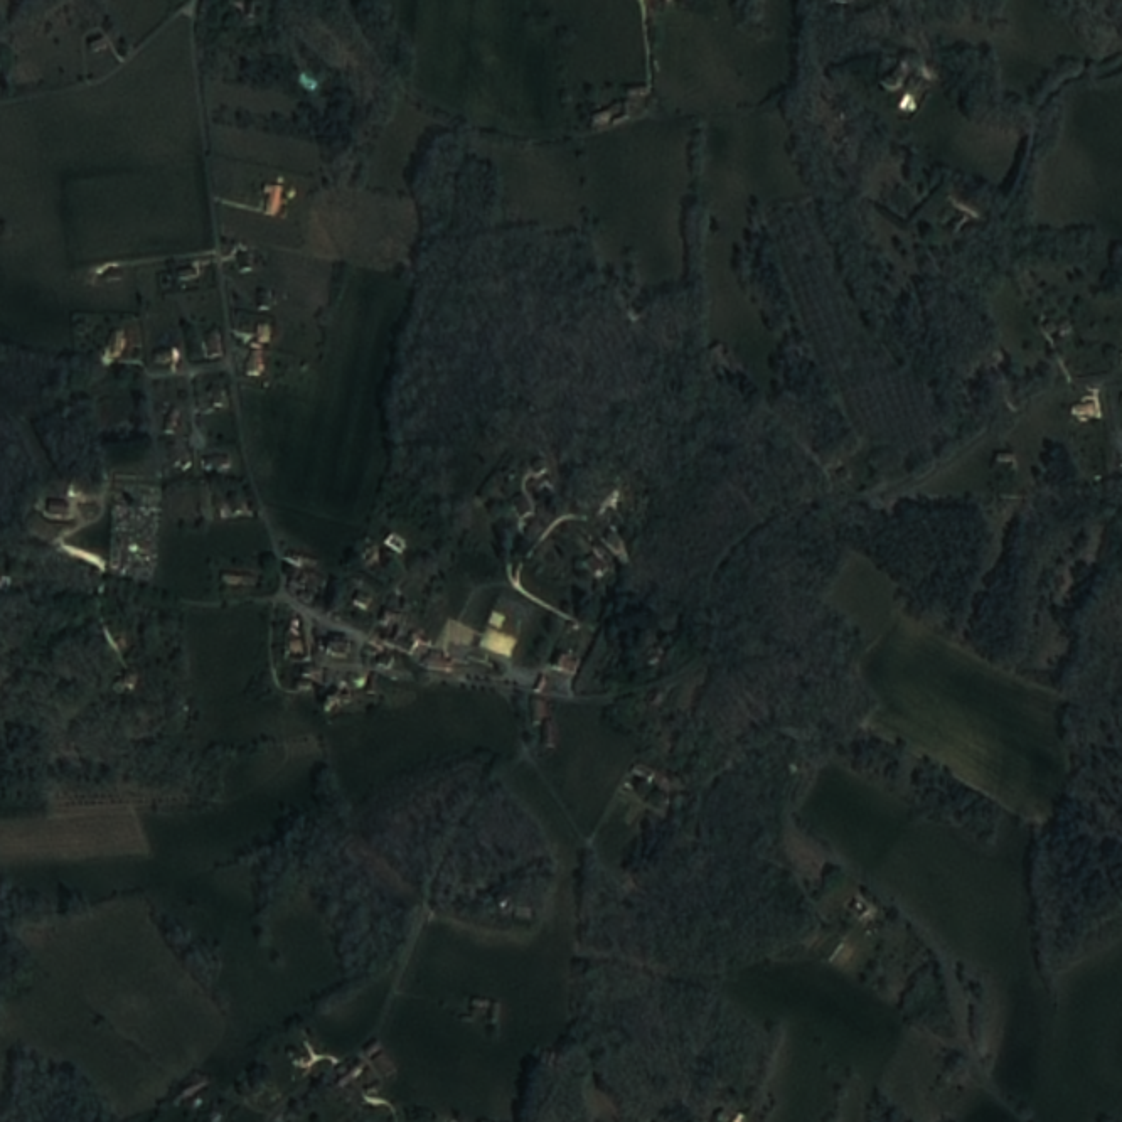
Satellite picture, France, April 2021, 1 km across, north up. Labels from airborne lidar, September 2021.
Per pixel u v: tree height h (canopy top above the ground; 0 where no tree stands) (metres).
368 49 12
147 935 0
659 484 15
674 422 15
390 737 0
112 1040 0
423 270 20
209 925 0
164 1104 6
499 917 20
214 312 0
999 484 10
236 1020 0
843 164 10
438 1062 0
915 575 22
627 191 0
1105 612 8
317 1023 0
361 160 13
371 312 0
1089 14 11
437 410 19
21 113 0
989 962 0
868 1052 0
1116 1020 0
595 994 22
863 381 14
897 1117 11
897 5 15
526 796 0
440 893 15
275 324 8
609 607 15
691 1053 22
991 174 0
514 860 13
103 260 0
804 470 21
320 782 21
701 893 22
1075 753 10
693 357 24
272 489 0
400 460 19
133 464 0
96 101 0
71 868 0
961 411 15
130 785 19
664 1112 16
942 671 0
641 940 21
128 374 15
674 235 0
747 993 0
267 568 13
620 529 10
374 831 6
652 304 21
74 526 0
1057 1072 0
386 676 6
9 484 18
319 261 0
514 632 0
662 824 14
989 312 16
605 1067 22
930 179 14
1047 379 19
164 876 0
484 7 0
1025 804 0
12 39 9
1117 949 0
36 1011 0
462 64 0
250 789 0
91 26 8
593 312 17
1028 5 0
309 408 0
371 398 0
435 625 0
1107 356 9
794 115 19
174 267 6
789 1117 0
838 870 8
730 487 17
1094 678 13
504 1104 0
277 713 0
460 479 6
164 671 8
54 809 0
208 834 0
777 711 23
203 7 8
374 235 0
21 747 14
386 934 18
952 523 19
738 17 13
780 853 7
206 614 0
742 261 13
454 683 0
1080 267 14
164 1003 0
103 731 20
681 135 0
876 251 8
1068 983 0
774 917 20
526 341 20
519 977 0
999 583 19
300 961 0
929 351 16
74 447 19
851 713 21
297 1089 0
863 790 0
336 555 0
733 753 21
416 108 6
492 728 0
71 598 11
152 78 0
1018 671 14
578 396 17
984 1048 11
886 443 8
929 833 0
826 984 0
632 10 0
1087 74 9
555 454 10
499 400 20
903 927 15
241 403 0
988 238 19
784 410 20
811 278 15
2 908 17
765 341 0
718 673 15
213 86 0
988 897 0
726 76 0
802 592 20
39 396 10
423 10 0
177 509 0
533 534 13
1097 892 22
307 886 23
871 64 20
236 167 0
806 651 19
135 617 13
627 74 0
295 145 0
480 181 13
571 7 0
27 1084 23
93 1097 23
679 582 12
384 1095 0
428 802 6
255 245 0
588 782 0
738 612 24
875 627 0
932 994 16
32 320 0
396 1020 0
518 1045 0
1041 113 14
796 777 18
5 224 9
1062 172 0
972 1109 0
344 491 0
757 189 0
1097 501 14
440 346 18
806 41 20
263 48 10
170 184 0
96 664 20
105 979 0
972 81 17
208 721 0
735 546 14
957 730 0
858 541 20
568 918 0
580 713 0
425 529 9
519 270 13
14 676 8
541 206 0
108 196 0
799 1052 0
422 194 24
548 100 0
